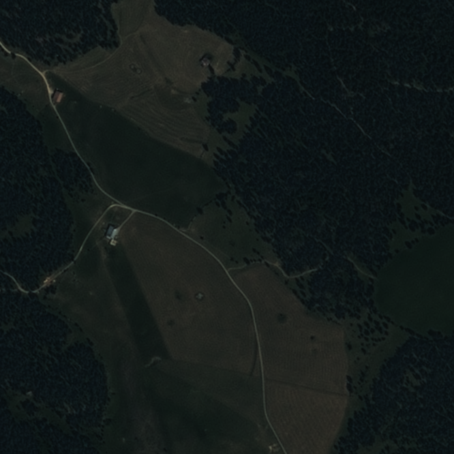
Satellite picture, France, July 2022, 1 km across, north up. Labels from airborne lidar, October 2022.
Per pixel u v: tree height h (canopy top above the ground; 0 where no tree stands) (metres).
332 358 0
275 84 15
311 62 21
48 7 25
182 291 0
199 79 0
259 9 10
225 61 0
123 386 0
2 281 15
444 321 0
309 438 0
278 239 25
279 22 12
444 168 17
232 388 0
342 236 24
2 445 13
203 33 0
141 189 0
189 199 0
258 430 0
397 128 26
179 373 0
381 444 0
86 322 0
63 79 0
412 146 20
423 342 22
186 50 0
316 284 8
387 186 10
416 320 0
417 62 20
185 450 0
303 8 20
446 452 13
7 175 22
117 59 0
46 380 26
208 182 0
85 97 0
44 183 14
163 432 0
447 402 23
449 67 9
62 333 8
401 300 0
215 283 0
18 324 7
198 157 0
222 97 26
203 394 0
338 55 20
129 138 0
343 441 22
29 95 0
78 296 0
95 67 0
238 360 0
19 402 0
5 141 12
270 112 23
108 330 0
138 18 0
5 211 18
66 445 19
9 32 17
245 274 0
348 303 9
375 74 13
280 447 0
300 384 0
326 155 0
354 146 16
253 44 6
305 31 10
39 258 17
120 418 0
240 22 15
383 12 18
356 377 0
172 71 0
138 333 0
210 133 0
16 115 19
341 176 27
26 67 0
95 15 14
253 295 0
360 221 27
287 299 0
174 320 0
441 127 14
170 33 0
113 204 0
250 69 0
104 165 0
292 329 0
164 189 0
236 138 0
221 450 0
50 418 0
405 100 28
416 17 14
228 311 0
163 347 0
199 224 0
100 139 0
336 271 29
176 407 0
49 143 0
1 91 16
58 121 0
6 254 20
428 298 0
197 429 0
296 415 0
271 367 0
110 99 0
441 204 22
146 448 0
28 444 12
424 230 18
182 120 0
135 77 0
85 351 20
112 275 0
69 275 0
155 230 0
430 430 24
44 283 0
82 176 11
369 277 0
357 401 0
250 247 0
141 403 0
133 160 0
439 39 10
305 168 24
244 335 0
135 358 0
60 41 18
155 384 0
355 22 19
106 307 0
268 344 0
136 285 0
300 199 13
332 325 0
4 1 19
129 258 0
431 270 0
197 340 0
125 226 0
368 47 12
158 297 0
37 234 14
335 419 0
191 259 0
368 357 0
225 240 0
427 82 6
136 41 0
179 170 0
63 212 18
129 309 0
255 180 26
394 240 0
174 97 0
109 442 0
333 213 24
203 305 0
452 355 26
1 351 12
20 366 26
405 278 0
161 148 0
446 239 0
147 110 0
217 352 0
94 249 0
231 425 0
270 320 0
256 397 0
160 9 17
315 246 30
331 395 0
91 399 16
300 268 23
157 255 0
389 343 0
